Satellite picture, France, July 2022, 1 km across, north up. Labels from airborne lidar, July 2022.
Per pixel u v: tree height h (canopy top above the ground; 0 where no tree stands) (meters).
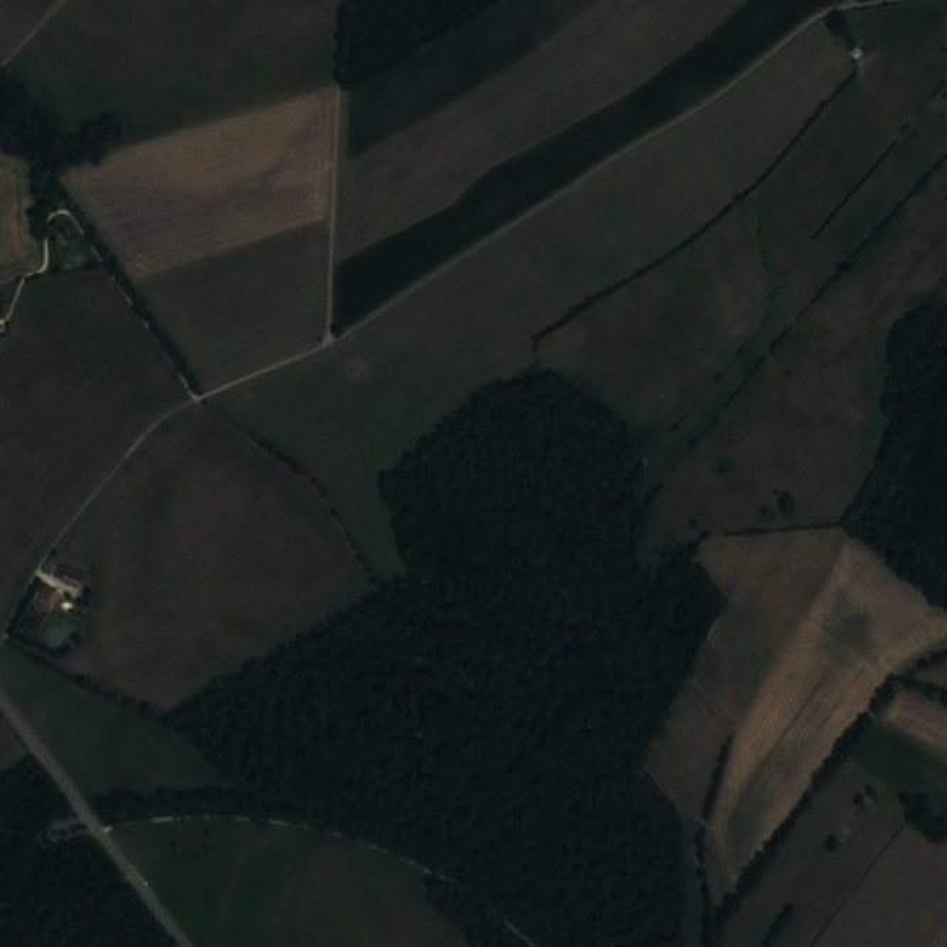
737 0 0
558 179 0
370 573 10
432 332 0
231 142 0
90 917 19
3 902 18
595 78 0
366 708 28
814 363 0
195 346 0
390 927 0
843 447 0
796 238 0
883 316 0
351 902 0
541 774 30
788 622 0
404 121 0
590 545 32
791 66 0
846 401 0
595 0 0
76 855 9
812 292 0
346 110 0
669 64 0
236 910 0
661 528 0
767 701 0
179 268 0
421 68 0
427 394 0
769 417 0
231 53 0
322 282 0
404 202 0
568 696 6
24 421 0
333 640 17
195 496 0
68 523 0
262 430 0
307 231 0
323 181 0
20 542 0
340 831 15
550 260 0
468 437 14
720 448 0
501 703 26
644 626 35
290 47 0
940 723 0
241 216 0
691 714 0
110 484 0
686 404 0
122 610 0
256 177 0
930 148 0
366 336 0
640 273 10
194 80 0
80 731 0
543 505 29
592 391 0
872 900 0
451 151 0
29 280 7
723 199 0
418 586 21
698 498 0
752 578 0
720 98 0
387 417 0
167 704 0
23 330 0
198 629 0
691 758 0
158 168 0
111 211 0
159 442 0
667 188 0
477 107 0
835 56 0
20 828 16
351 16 19
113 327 0
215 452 0
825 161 0
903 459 15
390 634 26
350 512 0
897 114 0
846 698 0
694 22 0
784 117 0
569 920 19
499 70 0
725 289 0
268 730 25
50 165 17
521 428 23
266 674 6
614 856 20
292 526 0
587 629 26
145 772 0
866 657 0
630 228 0
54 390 0
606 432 25
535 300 0
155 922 18
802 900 0
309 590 0
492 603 19
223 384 0
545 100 0
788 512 16
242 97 0
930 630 0
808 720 0
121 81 0
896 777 0
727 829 0
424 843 25
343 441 0
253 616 0
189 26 0
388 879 0
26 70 0
